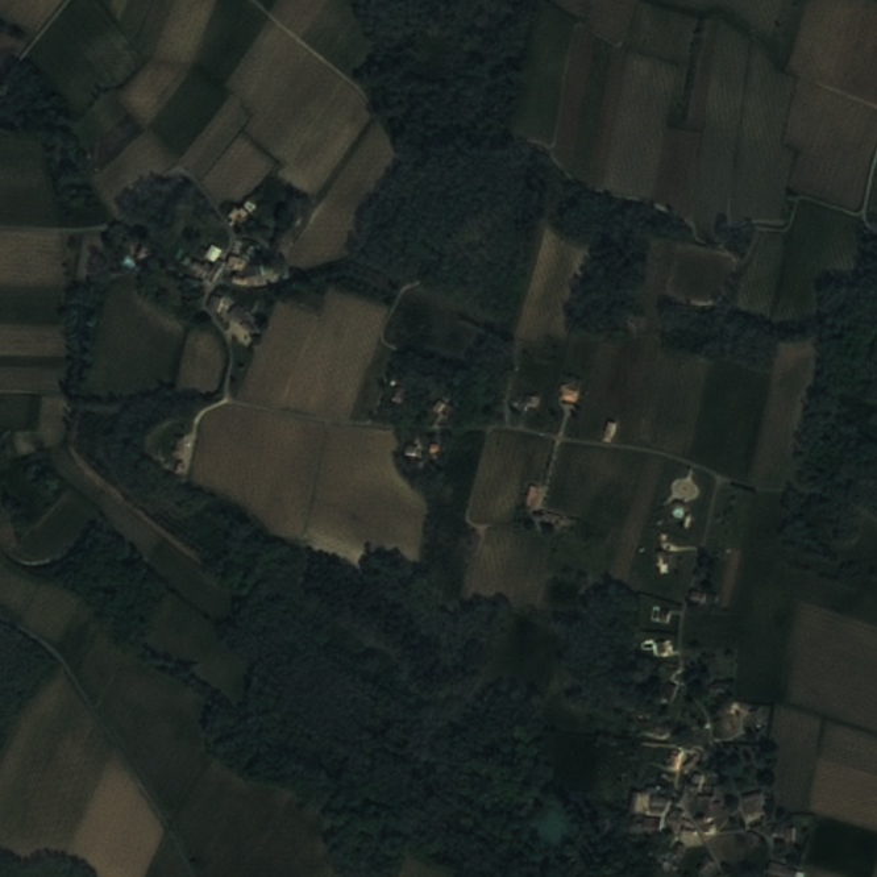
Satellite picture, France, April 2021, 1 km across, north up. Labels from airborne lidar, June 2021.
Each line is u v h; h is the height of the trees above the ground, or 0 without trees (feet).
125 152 0
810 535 33
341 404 0
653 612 0
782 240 0
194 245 56
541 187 46
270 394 0
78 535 0
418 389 57
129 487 57
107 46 0
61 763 0
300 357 0
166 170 0
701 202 0
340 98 0
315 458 0
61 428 0
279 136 0
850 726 0
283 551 44
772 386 0
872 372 56
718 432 0
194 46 0
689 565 0
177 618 0
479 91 94
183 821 0
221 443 0
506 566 0
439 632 54
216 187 0
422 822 48
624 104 0
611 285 59
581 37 0
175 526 25
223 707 59
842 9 0
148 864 0
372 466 0
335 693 73
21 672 65
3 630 62
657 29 0
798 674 0
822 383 38
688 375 0
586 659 49
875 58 0
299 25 0
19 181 0
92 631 0
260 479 0
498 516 0
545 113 0
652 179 0
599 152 0
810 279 0
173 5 0
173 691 0
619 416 0
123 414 45
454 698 51
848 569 24
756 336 56
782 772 0
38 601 0
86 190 39
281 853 0
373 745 50
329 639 60
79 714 0
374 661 58
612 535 0
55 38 0
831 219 0
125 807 0
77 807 0
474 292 67
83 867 60
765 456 0
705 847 0
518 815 23
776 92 0
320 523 0
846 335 46
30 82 82
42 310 0
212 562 19
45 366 0
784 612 0
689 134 0
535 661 0
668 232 54
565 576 40
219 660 0
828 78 0
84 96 0
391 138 0
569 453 0
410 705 64
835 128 0
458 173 82
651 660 55
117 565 83
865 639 0
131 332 0
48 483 52
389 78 77
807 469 47
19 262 0
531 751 77
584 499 0
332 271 42
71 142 66
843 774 0
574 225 67
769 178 0
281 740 66
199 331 0
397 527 0
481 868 31
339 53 0
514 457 0
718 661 26
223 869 0
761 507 0
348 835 61
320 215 0
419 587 64
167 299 67
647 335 0
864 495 48
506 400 61
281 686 78
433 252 58
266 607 58
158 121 0
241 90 0
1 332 0
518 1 21
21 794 0
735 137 0
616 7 0
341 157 0
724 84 0
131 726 0
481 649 70
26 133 49
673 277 0
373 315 0
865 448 62
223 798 0
